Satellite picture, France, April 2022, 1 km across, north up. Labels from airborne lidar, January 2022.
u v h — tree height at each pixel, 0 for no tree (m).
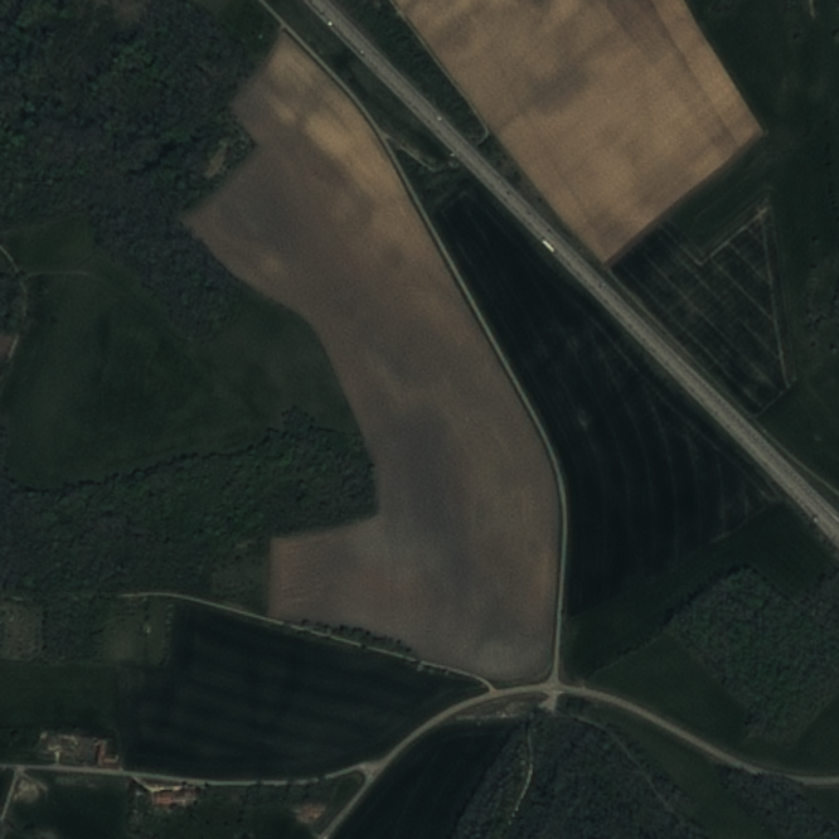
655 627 0
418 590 0
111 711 0
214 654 0
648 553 0
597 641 0
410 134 0
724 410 0
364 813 0
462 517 0
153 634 0
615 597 0
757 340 0
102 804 0
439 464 0
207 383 0
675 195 0
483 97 0
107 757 0
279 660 0
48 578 13
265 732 0
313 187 0
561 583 0
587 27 0
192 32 26
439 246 0
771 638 24
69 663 16
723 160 0
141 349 0
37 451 0
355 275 0
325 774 0
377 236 0
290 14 0
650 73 0
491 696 0
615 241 0
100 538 22
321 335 0
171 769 0
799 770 0
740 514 0
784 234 0
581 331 0
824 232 0
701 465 0
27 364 0
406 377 0
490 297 0
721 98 0
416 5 0
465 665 0
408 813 0
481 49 0
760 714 11
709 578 0
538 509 0
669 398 0
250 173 0
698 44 0
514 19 0
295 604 0
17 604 10
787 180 0
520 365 0
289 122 0
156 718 0
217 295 20
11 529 18
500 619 0
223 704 0
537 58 0
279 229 0
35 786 0
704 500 0
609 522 0
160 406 0
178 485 20
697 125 0
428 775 0
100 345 0
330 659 0
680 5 0
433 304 0
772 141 0
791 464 0
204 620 0
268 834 0
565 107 0
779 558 0
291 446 10
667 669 0
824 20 0
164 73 26
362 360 0
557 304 0
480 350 0
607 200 0
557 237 0
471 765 0
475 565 0
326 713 0
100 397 0
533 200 0
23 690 0
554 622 0
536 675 0
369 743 0
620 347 0
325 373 0
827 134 0
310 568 0
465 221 0
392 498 0
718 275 0
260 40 0
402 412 0
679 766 0
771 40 0
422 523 0
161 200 26
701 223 0
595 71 0
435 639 0
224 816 0
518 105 0
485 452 0
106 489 8
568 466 0
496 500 0
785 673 22
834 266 0
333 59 0
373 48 0
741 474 0
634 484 0
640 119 0
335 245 0
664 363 0
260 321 0
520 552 0
